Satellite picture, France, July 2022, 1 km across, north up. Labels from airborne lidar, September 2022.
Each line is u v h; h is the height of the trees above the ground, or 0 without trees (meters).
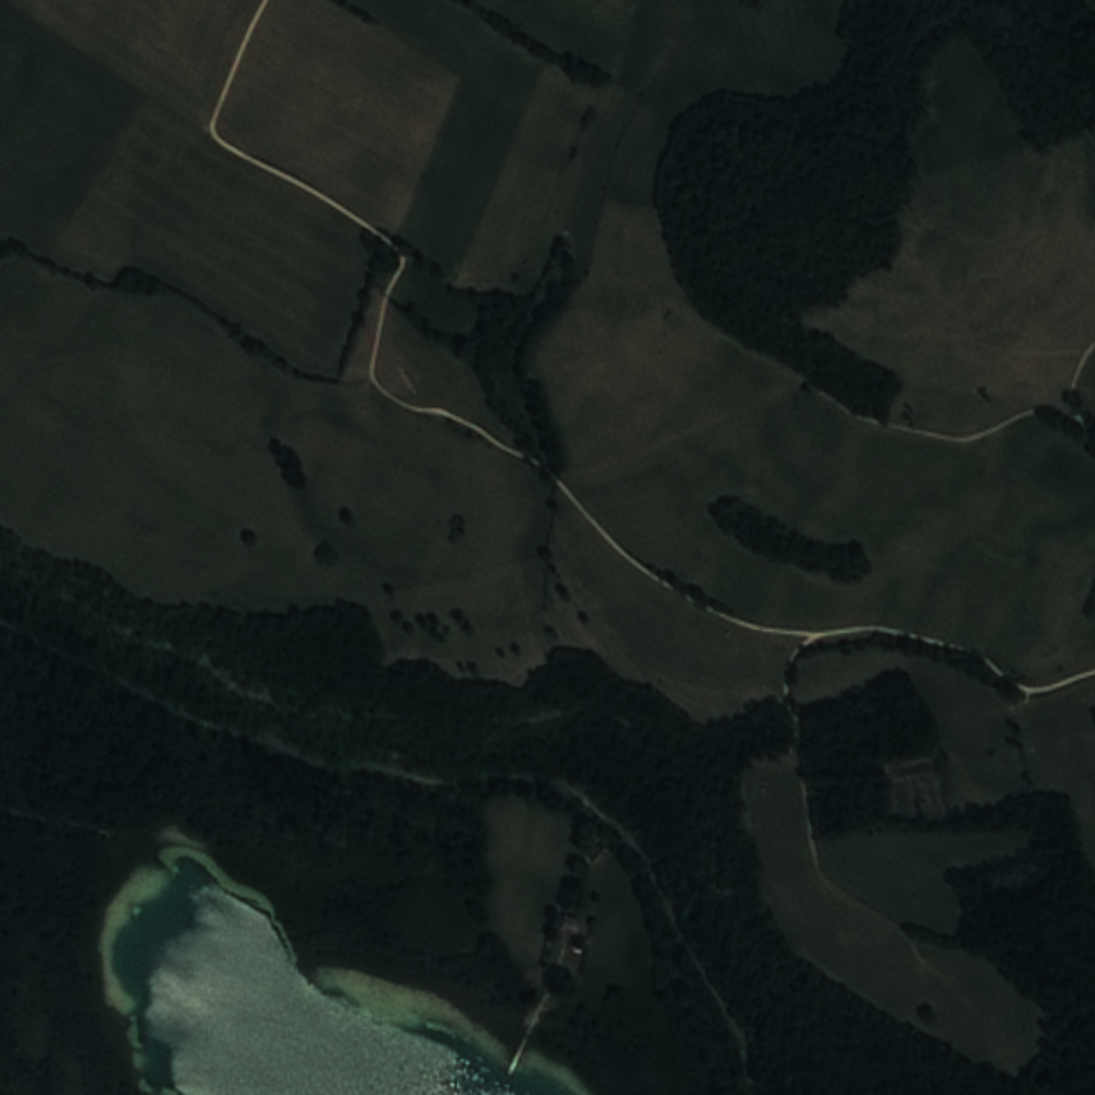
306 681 16
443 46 0
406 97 0
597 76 15
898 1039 14
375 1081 0
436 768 19
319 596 0
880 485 0
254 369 0
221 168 0
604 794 20
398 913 0
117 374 0
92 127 0
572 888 20
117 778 18
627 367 0
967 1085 16
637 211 0
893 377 8
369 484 0
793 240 9
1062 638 0
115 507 0
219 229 0
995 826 10
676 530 0
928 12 20
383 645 10
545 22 0
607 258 0
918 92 12
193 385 0
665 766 21
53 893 7
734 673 0
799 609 0
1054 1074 16
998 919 24
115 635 8
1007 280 0
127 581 0
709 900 12
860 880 0
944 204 0
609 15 0
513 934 0
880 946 0
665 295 0
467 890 14
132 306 0
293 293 0
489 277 0
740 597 0
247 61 0
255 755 25
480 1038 0
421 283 0
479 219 0
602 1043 6
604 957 0
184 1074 0
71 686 16
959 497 0
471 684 11
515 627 0
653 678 0
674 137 8
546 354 0
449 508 0
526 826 0
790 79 0
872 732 19
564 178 0
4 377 0
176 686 18
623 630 0
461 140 0
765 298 9
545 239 0
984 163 0
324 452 0
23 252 13
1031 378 0
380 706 9
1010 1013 0
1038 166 0
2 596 21
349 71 0
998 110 0
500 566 0
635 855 18
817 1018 11
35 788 15
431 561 0
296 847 6
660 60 0
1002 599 0
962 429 0
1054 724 0
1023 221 0
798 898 0
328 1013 0
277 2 0
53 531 0
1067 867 23
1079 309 0
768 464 0
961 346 0
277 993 0
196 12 0
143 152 0
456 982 6
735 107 13
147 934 0
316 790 16
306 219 0
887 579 0
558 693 9
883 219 11
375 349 0
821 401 0
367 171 0
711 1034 26
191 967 0
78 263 0
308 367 0
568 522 0
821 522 0
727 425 0
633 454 0
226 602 0
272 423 0
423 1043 0
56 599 9
